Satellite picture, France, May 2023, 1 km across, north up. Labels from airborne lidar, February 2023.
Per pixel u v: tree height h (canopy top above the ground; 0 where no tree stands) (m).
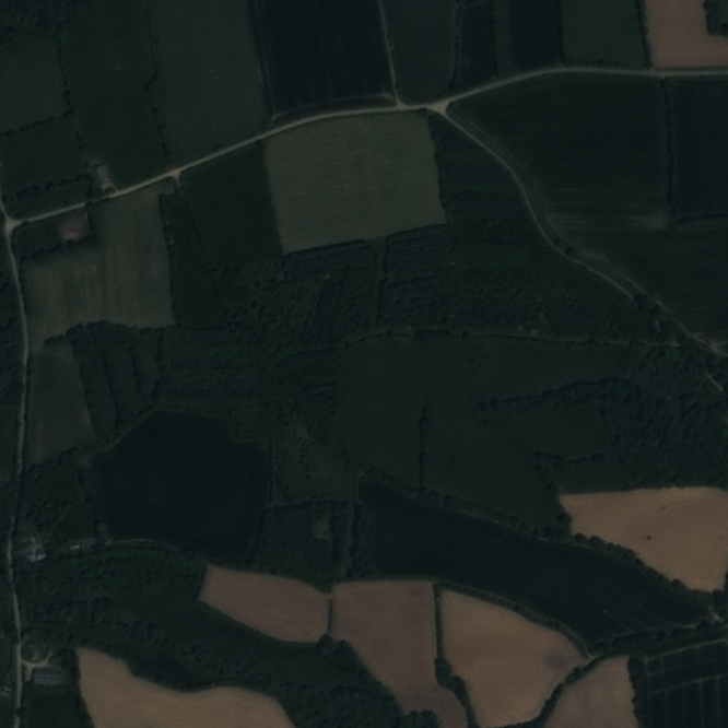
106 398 0
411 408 0
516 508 0
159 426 0
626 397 19
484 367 0
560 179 0
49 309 0
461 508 12
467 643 0
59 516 5
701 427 19
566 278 10
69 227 0
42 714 0
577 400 10
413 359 0
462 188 10
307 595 0
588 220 0
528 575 0
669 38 0
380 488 0
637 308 10
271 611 0
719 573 0
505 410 7
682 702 0
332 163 0
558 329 10
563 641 0
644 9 12
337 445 10
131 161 0
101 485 0
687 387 9
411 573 0
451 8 0
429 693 0
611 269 0
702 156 0
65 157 0
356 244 13
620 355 0
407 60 0
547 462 12
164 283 0
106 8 0
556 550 0
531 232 7
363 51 0
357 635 0
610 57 0
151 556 7
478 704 0
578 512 0
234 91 0
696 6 0
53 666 0
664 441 18
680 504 0
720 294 0
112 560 10
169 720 0
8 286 13
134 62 0
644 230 0
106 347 15
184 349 9
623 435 19
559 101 0
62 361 0
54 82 0
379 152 0
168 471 0
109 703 0
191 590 0
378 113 0
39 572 13
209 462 0
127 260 0
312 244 0
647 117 0
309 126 0
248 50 0
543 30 0
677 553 0
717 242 0
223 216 0
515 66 0
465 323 12
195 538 0
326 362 6
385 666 0
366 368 0
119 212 0
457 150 13
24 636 9
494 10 11
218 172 0
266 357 8
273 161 0
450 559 0
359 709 11
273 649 0
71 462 17
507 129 0
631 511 0
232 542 0
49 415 0
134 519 0
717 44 0
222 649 0
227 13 0
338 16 0
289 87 0
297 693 15
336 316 11
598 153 0
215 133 0
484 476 0
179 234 0
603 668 0
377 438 0
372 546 0
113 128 0
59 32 16
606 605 0
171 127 0
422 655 0
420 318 12
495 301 10
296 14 0
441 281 12
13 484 13
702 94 0
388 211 0
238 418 8
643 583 0
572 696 0
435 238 13
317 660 0
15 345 15
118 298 0
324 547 18
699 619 0
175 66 0
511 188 11
